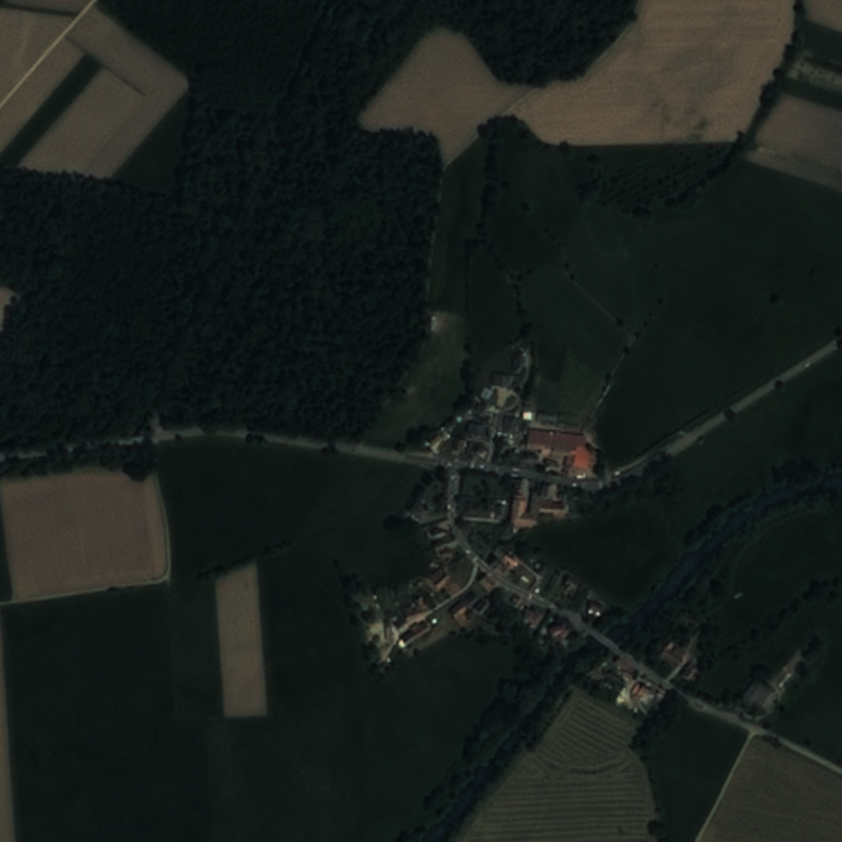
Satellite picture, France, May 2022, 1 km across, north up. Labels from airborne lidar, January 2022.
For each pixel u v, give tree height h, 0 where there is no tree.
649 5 0
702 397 0
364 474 0
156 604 0
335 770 0
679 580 0
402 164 9
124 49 0
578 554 0
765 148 0
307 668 0
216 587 0
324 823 0
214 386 30
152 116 0
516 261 0
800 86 0
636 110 0
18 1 0
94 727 0
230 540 0
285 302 25
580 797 0
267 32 11
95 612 0
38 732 0
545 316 0
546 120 0
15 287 18
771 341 0
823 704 0
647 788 0
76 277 19
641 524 0
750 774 0
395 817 0
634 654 6
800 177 0
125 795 0
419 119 0
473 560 0
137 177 0
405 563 0
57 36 0
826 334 0
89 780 0
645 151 0
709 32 0
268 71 9
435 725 0
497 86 0
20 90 0
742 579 0
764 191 0
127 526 0
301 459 0
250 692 0
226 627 0
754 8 0
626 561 0
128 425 15
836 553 0
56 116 0
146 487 0
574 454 0
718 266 0
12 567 0
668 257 0
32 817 0
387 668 7
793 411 0
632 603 0
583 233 0
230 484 0
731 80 0
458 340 0
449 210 0
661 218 0
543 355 0
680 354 0
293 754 0
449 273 0
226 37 14
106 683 0
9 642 0
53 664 0
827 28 0
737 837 0
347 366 11
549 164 0
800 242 0
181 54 8
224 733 0
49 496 0
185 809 0
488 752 9
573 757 0
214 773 0
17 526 0
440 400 0
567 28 30
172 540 0
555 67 27
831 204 0
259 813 0
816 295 0
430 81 0
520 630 8
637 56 0
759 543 0
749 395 0
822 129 0
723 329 0
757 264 0
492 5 26
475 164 0
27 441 7
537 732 11
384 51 23
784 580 0
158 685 0
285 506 0
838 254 0
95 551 0
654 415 0
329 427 17
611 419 0
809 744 10
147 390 33
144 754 0
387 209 25
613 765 0
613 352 0
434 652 0
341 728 0
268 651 0
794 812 0
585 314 0
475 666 0
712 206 0
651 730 16
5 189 22
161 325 22
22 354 24
